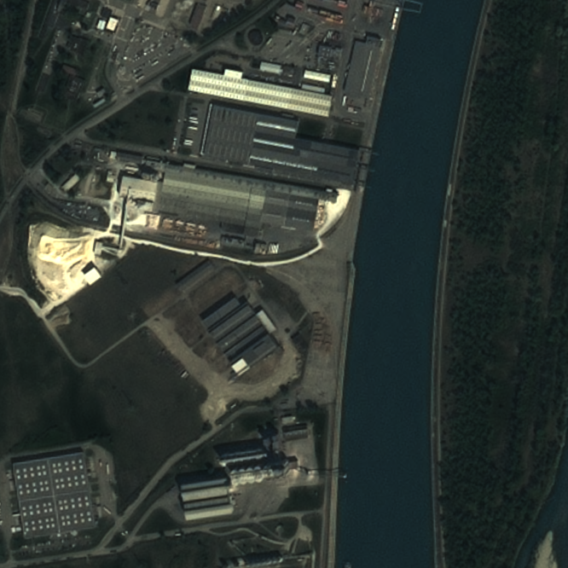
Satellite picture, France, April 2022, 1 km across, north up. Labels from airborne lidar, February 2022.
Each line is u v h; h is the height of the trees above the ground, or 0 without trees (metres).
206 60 0
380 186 0
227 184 0
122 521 0
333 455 0
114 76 0
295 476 0
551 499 0
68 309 0
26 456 0
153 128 0
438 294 0
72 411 0
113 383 0
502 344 0
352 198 0
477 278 13
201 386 0
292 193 0
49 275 0
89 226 0
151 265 0
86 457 0
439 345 0
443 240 0
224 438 0
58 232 0
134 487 0
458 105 0
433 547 0
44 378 0
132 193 0
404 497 0
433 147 0
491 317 6
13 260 0
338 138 0
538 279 13
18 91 0
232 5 0
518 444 14
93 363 0
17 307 0
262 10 0
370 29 0
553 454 10
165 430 0
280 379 0
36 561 0
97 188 0
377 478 0
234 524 0
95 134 0
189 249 0
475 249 0
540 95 0
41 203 0
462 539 21
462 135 0
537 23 16
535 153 0
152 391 0
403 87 0
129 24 0
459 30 0
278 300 0
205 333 0
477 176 16
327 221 0
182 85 0
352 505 0
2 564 0
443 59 0
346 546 0
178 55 0
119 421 0
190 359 0
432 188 0
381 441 0
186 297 0
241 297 0
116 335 0
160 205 0
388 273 0
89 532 0
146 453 0
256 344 0
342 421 0
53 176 15
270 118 0
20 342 0
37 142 0
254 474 0
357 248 0
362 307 0
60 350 0
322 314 0
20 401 0
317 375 0
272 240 0
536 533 0
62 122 0
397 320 0
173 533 0
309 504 0
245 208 0
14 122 0
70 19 10
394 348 0
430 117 0
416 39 0
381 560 0
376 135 0
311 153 0
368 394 0
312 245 0
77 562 0
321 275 0
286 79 0
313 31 0
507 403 0
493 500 7
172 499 0
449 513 12
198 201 0
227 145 0
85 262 0
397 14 0
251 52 0
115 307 0
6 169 0
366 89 0
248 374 0
